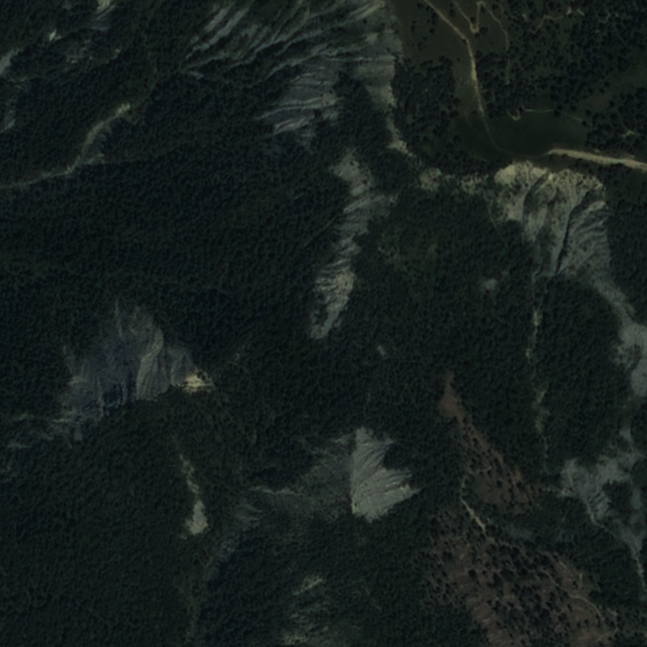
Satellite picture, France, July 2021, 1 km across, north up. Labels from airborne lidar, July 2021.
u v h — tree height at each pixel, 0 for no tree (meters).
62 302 8
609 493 7
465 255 7
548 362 11
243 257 11
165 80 10
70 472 8
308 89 0
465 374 13
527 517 9
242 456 13
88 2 8
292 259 6
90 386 0
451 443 12
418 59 0
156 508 16
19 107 8
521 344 13
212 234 21
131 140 9
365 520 7
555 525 10
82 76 8
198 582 12
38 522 18
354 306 7
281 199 6
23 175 9
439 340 8
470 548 0
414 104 10
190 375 0
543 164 0
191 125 12
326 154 10
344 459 0
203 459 9
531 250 10
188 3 13
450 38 0
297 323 16
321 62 0
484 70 9
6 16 8
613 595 13
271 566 12
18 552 13
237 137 10
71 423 0
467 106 0
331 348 7
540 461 13
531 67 9
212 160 10
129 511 5
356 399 8
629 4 14
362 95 7
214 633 9
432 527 12
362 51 0
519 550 25
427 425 13
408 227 10
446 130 15
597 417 11
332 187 7
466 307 12
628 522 12
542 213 0
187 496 8
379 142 8
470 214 13
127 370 0
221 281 11
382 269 8
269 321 14
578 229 0
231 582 16
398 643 9
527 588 15
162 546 10
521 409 13
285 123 0
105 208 12
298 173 16
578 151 0
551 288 14
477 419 15
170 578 9
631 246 12
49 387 13
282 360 15
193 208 16
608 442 8
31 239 24
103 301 8
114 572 7
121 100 14
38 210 12
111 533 7
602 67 13
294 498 0
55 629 14
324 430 6
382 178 10
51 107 18
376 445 0
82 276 11
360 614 7
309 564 7
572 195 0
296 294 15
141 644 9
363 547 11
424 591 9
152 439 18
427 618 13
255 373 12
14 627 13
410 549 13
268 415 8
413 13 0
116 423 10
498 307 12
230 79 7
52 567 12
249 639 12
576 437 10
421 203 13
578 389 13
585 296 8
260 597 14
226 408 13
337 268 0
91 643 14
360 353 15
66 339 9
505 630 14
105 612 9
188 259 16
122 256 19
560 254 0
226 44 7
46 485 13
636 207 11
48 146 20
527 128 0
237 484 11
